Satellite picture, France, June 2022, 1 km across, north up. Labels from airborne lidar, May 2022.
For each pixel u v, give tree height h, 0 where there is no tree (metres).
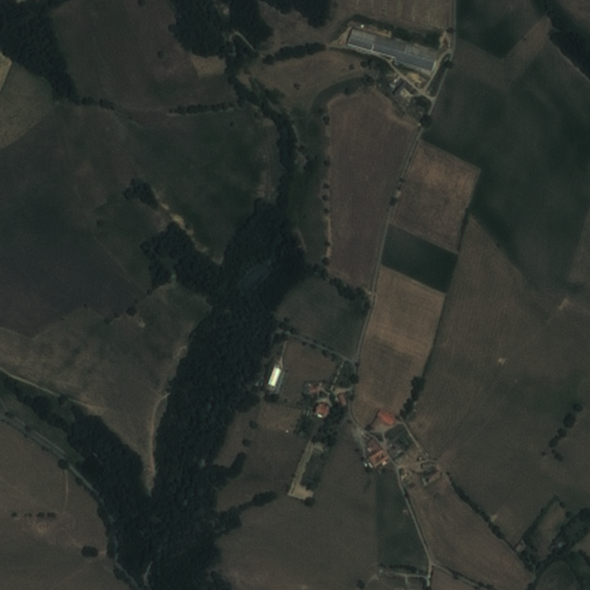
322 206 0
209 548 12
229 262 15
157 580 25
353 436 0
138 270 0
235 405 13
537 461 0
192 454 20
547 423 0
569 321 0
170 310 0
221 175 0
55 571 0
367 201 0
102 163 0
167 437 14
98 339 0
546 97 0
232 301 14
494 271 0
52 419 15
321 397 9
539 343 0
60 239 0
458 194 0
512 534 0
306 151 13
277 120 15
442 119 0
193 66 0
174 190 0
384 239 0
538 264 0
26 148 0
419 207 0
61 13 0
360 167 0
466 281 0
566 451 0
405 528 0
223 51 14
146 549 16
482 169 0
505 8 0
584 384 0
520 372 0
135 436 0
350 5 0
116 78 0
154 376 0
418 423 0
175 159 0
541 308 0
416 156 0
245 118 0
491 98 0
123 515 27
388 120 0
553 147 0
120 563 16
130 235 0
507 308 0
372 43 0
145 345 0
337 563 0
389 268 0
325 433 12
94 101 11
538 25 0
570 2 0
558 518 0
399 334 0
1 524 0
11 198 0
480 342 0
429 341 0
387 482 0
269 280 16
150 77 0
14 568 0
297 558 0
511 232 0
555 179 0
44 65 18
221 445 13
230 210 0
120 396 0
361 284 0
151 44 0
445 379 0
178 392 14
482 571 0
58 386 0
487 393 0
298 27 0
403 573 0
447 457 0
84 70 0
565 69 0
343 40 0
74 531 0
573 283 0
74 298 0
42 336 0
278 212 20
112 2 0
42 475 0
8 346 0
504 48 0
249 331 11
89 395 0
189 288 9
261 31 12
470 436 0
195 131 0
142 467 8
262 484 0
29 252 0
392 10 0
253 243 20
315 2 20
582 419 0
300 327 0
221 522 12
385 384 0
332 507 0
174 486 22
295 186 0
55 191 0
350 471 0
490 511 0
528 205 0
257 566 0
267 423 0
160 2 0
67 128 0
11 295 0
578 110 0
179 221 0
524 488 0
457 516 0
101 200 0
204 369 14
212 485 15
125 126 0
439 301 0
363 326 0
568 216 0
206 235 0
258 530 0
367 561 0
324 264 10
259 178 0
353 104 0
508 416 0
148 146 0
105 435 15
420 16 0
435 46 0
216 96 0
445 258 0
